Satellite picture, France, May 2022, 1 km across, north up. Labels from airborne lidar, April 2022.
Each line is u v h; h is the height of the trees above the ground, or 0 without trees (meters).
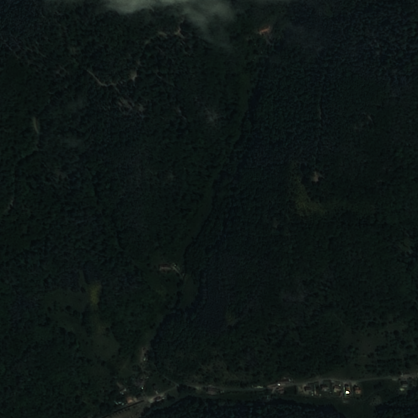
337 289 25
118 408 8
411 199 18
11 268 26
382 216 6
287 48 20
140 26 14
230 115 33
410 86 21
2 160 22
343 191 17
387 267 21
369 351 0
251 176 23
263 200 20
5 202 16
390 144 15
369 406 0
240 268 26
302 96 19
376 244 19
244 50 13
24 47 20
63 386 21
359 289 17
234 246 21
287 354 23
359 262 17
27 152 19
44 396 30
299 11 33
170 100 27
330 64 21
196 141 30
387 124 24
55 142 18
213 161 34
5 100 13
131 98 24
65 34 20
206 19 25
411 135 27
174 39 11
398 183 14
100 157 27
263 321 15
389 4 24
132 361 7
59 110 31
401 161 21
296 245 13
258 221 22
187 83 19
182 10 18
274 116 21
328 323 25
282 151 27
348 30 17
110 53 16
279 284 22
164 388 0
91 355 0
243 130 7
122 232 26
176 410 19
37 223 9
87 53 23
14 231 11
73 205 30
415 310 32
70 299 0
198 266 9
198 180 27
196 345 13
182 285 15
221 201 8
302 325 16
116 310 22
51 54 23
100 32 16
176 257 0
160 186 16
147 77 29
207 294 21
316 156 20
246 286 22
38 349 28
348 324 13
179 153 23
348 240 15
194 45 24
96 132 26
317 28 26
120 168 20
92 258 26
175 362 11
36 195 13
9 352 16
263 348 17
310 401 0
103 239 28
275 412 10
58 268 24
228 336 13
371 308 18
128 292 25
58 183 11
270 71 26
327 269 27
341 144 15
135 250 20
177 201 26
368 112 15
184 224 22
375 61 30
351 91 16
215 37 24
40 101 14
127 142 19
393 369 8
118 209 24
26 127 9
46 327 27
